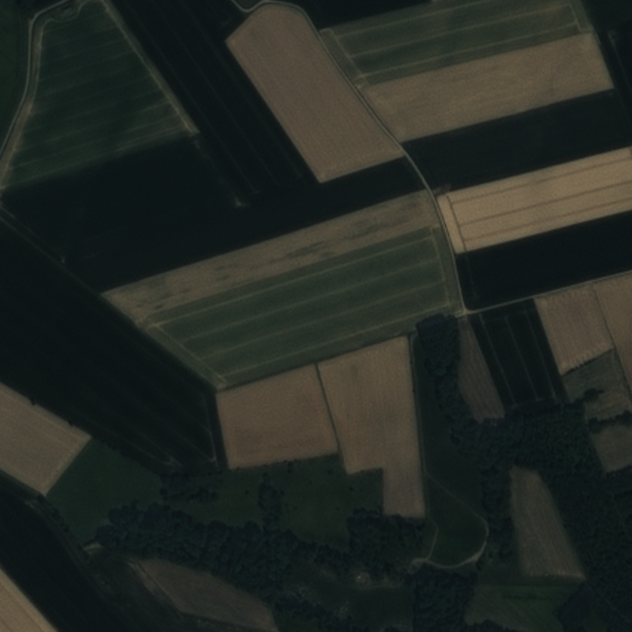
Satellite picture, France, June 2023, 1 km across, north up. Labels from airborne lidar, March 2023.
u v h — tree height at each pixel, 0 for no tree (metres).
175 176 0
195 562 24
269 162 0
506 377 0
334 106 0
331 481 0
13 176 0
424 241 0
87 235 0
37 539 0
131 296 0
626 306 0
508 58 0
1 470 0
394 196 0
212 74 0
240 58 0
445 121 0
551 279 0
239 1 0
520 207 0
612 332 0
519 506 0
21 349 0
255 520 0
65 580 0
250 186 0
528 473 0
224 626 0
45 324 0
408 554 0
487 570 0
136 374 0
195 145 0
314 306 0
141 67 0
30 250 0
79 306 0
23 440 0
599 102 0
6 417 0
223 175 0
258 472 0
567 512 6
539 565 0
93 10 0
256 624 0
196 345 0
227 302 0
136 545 25
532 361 0
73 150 0
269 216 0
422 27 0
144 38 0
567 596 0
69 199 0
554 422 13
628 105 0
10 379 0
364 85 0
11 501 0
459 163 0
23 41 0
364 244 0
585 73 0
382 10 0
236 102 0
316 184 0
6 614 0
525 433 17
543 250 0
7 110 0
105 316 0
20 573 0
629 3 0
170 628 0
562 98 0
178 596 0
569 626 32
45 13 0
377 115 0
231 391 0
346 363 0
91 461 0
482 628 13
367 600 0
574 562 0
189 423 0
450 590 26
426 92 0
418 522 0
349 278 0
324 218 0
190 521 20
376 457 0
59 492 0
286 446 0
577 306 0
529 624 0
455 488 0
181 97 0
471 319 0
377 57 0
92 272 0
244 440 0
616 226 0
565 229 0
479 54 0
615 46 0
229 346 0
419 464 0
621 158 0
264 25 0
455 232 0
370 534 26
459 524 0
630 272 0
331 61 0
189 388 0
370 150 0
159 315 0
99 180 0
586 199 0
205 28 0
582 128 0
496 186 0
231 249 0
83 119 0
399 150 0
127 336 0
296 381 0
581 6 0
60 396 0
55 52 0
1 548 0
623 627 38
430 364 19
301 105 0
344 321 0
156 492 0
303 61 0
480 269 0
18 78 0
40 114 0
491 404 0
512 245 0
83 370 0
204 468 0
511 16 0
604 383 0
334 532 0
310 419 0
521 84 0
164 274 0
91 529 0
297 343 0
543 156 0
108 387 0
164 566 0
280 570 30
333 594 0
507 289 0
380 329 0
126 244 0
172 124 0
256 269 0
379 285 0
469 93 0
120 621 0
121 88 0
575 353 0
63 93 0
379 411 0
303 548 27
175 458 0
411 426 0
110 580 0
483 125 0
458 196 0
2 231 0
